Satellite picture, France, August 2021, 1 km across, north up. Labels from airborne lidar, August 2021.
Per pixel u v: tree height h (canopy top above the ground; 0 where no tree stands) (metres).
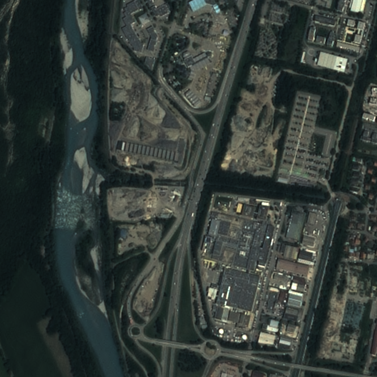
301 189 11
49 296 14
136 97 0
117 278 9
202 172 0
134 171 10
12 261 23
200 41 0
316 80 9
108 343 0
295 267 0
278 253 0
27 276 0
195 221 7
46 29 23
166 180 8
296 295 0
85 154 0
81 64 0
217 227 0
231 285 0
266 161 0
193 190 0
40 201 15
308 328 0
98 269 0
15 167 14
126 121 0
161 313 0
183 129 0
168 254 0
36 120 6
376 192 6
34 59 16
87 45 5
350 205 15
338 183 6
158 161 0
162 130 0
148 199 0
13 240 19
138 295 0
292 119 0
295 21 10
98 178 0
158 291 0
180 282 0
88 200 0
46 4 23
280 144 14
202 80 0
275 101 7
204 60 0
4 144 11
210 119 0
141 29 0
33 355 0
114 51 0
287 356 12
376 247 8
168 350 0
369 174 6
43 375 0
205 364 10
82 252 9
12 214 13
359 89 5
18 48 11
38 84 12
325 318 9
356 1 0
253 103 0
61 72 12
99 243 0
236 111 12
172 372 0
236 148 0
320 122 7
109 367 0
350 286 0
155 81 11
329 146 0
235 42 0
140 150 0
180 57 8
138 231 0
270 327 0
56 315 17
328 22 0
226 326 0
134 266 0
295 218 0
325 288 7
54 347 0
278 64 11
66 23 0
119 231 12
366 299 0
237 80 0
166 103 0
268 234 0
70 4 0
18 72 12
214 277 0
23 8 16
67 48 0
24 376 0
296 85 11
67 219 0
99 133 8
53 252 14
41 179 14
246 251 0
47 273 16
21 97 7
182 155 0
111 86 12
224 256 0
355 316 0
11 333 0
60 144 6
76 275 0
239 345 9
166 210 0
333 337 0
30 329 0
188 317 0
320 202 8
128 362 7
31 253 19
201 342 14
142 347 0
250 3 0
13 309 0
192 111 0
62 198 0
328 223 0
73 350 14
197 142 0
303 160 0
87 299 0
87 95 0
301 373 0
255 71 0
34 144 8
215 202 0
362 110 8
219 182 15
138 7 0
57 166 10
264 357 0
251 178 12
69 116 0
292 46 0
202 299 13
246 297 0
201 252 0
